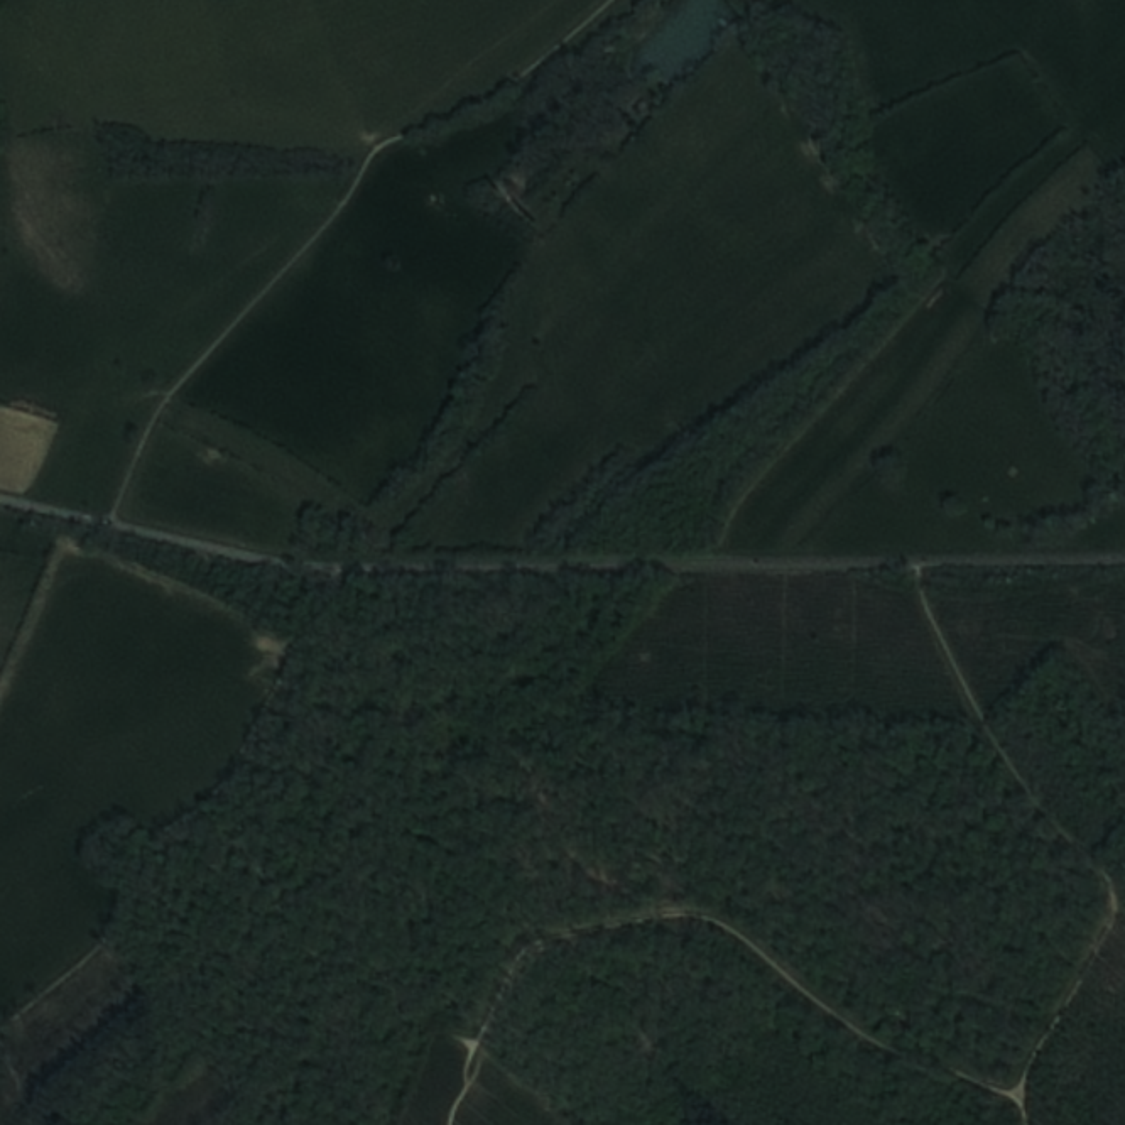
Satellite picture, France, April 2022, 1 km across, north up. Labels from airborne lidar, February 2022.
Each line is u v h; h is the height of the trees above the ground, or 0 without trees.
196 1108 0
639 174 0
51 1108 28
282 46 0
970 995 27
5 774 0
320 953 24
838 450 0
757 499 0
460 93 0
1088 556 0
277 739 25
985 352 0
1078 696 23
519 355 0
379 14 0
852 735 25
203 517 0
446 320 0
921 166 0
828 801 26
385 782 30
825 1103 13
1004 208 0
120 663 0
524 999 24
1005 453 0
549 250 0
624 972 26
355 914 32
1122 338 25
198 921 22
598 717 12
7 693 0
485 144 0
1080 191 0
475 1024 25
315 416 0
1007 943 25
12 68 0
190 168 13
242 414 0
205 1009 23
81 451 0
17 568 0
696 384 0
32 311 0
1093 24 0
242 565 7
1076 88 0
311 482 0
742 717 25
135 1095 19
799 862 29
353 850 30
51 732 0
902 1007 26
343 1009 28
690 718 26
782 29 22
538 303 0
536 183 15
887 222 22
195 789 0
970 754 25
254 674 0
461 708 27
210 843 29
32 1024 0
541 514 0
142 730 0
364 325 0
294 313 0
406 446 0
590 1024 25
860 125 22
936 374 0
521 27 0
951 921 29
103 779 0
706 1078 25
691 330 0
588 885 26
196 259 0
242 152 11
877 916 31
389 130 0
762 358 0
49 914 0
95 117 0
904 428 0
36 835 0
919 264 21
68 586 0
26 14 0
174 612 0
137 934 22
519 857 30
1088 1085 14
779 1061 15
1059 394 23
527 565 0
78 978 0
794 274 0
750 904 28
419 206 0
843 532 0
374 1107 28
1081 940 29
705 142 0
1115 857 29
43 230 0
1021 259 0
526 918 30
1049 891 27
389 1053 29
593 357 0
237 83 0
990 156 0
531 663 32
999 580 16
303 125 0
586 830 31
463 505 0
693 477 24
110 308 0
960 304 0
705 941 26
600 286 0
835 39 22
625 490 22
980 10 0
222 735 0
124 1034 25
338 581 23
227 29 0
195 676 0
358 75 0
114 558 17
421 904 30
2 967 0
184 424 0
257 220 0
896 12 0
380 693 30
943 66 0
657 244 0
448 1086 0
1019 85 0
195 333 0
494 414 0
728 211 0
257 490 0
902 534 0
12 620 0
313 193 0
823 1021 29
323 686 30
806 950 29
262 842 21
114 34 0
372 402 0
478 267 0
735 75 0
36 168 0
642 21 16
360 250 0
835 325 0
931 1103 25
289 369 0
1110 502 22
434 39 0
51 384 0
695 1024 27
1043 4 0
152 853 19
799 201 0
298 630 18
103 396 0
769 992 25
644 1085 24
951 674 0
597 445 0
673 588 23
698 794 29
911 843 24
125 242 0
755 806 24
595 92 21
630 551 19
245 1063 23
